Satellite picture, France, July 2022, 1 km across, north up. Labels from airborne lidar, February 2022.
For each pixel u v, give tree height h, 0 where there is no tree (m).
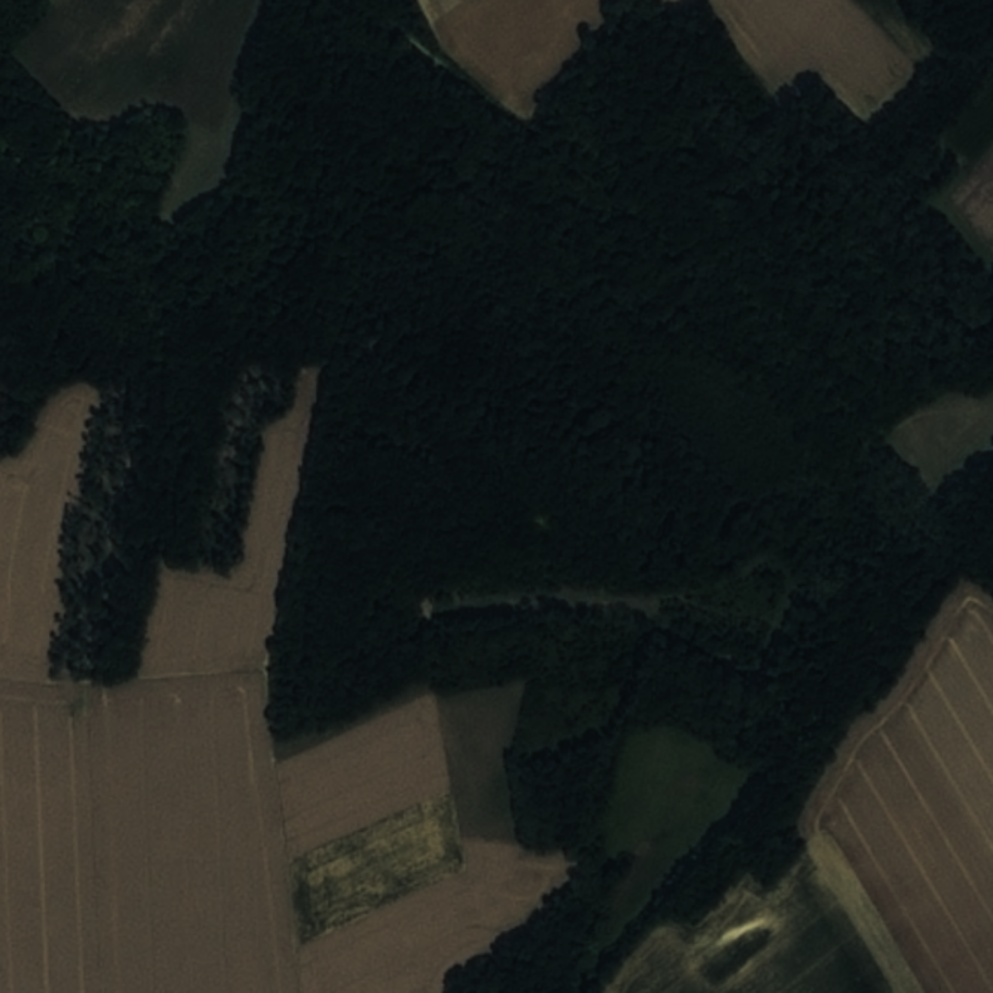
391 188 11
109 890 0
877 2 0
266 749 0
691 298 20
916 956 0
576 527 18
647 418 22
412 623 11
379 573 24
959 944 0
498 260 20
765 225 25
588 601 0
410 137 25
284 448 0
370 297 13
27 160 22
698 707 24
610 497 20
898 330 20
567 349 24
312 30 21
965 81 22
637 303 21
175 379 18
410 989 0
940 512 24
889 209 34
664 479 28
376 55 21
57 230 16
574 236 21
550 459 24
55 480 0
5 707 0
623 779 0
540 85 0
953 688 0
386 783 0
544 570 22
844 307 20
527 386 23
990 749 0
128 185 12
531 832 20
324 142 19
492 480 26
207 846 0
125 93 0
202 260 22
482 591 14
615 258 24
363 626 25
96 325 23
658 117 18
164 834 0
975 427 0
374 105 24
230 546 22
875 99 0
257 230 14
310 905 0
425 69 22
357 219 20
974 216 0
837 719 19
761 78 0
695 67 27
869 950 0
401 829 0
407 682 21
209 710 0
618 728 23
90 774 0
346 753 0
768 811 25
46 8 8
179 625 0
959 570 22
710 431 12
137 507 25
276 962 0
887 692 17
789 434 9
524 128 16
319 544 22
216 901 0
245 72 20
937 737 0
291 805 0
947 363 21
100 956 0
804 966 0
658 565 25
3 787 0
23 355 25
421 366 20
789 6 0
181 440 21
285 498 0
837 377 17
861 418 22
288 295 23
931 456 0
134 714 0
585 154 23
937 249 29
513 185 18
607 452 24
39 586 0
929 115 21
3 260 23
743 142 27
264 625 0
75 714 0
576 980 22
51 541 0
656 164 20
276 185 18
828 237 18
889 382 18
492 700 0
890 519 25
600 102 19
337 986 0
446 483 23
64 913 0
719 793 0
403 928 0
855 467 14
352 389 24
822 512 19
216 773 0
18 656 0
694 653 27
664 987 0
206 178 0
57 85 0
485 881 0
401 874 0
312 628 20
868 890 0
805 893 0
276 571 0
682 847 0
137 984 0
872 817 0
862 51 0
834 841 0
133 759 0
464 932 0
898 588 22
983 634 0
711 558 25
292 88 25
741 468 12
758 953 0
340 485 26
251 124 20
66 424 0
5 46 11
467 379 21
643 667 26
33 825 0
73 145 9
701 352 20
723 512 25
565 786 21
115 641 25
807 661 26
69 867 0
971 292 31
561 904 16
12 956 0
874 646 21
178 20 0
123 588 25
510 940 17
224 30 0
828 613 25
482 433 18
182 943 0
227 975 0
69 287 24
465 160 27
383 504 24
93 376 21
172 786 0
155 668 0
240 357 22
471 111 22
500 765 0
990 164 0
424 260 23
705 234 23
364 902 0
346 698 24
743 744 25
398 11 17
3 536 0
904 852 0
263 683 0
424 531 24
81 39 0
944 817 0
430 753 0
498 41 0
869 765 0
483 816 0
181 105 0
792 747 23
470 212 22
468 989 20
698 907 20
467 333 22
